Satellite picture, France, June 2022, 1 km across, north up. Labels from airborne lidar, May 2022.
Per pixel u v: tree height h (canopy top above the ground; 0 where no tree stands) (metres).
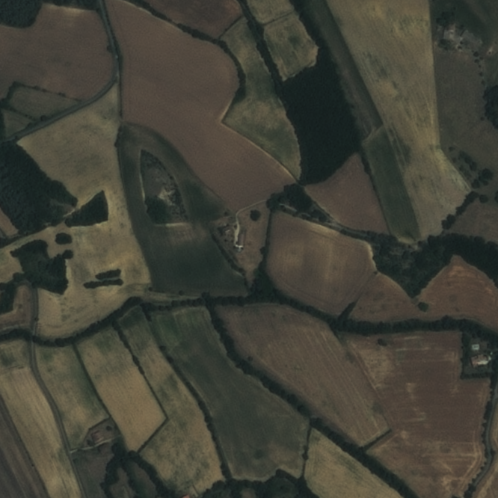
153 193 0
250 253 0
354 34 0
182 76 0
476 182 10
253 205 0
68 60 0
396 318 0
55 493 0
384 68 0
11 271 0
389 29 0
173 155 0
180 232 0
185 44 0
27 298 0
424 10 0
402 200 0
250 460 0
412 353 0
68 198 7
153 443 0
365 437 0
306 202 16
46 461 0
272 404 0
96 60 0
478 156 0
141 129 0
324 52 19
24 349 0
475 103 0
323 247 0
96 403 0
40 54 0
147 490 0
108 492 10
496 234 0
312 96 18
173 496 14
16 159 16
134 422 0
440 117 0
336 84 18
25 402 0
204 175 0
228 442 0
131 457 18
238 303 9
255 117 0
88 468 0
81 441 0
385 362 0
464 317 0
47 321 0
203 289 0
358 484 0
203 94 0
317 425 17
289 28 0
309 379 0
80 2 15
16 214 20
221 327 14
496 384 12
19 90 0
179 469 0
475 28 0
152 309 11
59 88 0
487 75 0
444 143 0
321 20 0
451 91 0
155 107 0
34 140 0
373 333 16
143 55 0
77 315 0
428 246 7
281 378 0
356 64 0
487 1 0
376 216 0
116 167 0
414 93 0
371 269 0
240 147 0
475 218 0
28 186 16
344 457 0
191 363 0
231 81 0
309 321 0
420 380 0
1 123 13
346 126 17
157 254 0
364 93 0
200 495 0
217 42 10
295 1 16
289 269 0
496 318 0
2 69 0
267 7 0
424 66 0
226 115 0
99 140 0
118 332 9
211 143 0
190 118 0
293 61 0
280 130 0
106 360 0
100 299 0
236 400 0
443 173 0
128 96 0
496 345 12
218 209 0
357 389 0
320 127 17
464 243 16
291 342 0
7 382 0
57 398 0
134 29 0
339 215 0
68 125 0
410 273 13
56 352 0
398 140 0
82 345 0
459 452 0
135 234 0
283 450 0
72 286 0
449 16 9
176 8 0
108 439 0
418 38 0
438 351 0
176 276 0
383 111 0
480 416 0
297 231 0
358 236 8
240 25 0
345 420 0
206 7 0
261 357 0
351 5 0
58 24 0
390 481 11
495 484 0
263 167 0
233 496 11
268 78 0
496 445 0
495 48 0
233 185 0
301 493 13
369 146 0
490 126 0
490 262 16
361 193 0
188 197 0
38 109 0
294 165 0
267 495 16
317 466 0
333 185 0
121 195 0
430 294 0
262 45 12
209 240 0
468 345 9
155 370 0
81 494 0
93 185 0
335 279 0
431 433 0
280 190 0
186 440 0
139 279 0
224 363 0
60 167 0
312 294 0
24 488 0
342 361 0
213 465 0
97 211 14
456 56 0
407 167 0
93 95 0
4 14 23
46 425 0
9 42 0
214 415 0
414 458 0
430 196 0
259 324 0
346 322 14
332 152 18
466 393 0
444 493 0
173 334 0
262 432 0
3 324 0
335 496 0
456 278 0
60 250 0
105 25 0
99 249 0
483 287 0
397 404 0
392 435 0
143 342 0
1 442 0
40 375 0
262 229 0
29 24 10
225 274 0
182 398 0
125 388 0
